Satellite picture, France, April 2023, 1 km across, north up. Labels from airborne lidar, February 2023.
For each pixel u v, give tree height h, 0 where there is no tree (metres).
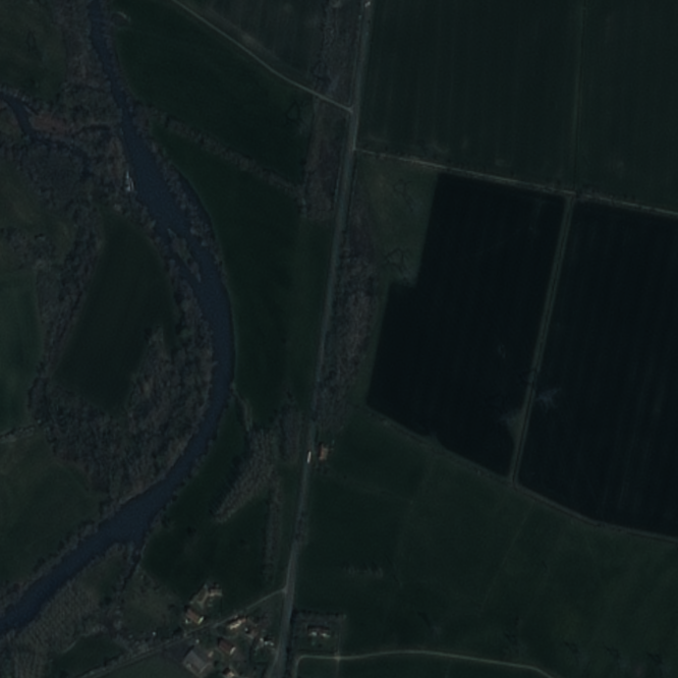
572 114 0
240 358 0
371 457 0
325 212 17
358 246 0
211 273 0
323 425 19
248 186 0
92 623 16
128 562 17
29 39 0
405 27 0
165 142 0
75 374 0
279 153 0
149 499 0
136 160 0
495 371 0
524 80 0
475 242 0
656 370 0
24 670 31
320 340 0
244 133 0
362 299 25
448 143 0
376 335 0
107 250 0
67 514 0
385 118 0
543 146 0
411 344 0
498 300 0
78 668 0
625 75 0
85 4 10
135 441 9
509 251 0
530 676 0
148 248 0
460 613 0
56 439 9
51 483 0
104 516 14
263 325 0
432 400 0
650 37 0
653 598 0
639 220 0
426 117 0
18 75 0
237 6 0
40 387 14
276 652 0
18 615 0
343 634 0
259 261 0
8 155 15
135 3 0
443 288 0
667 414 0
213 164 0
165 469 10
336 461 0
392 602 0
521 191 0
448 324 0
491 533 0
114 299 0
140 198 0
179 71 0
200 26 0
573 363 0
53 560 9
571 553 0
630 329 0
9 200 0
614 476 0
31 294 0
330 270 0
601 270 0
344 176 0
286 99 0
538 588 0
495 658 0
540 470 0
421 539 0
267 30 0
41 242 5
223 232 0
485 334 0
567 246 0
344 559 0
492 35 0
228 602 0
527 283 0
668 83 0
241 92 0
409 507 0
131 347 0
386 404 0
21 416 0
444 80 0
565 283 0
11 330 0
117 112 15
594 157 0
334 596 0
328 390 12
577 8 0
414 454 0
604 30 0
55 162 19
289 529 0
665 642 0
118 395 0
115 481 18
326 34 8
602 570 0
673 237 0
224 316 0
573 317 0
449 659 0
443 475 0
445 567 0
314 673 0
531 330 0
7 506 0
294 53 0
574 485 0
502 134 0
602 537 0
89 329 0
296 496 0
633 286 0
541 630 0
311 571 0
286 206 0
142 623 0
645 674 0
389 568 0
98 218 8
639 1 0
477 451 0
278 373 0
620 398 0
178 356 15
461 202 0
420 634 0
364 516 0
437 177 0
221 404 0
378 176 0
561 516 0
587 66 0
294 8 0
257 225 0
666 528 0
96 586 0
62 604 33
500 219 0
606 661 0
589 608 0
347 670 0
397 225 0
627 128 0
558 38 0
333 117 0
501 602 0
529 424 0
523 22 0
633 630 0
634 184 0
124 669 0
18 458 0
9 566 0
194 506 0
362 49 0
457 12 0
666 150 0
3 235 10
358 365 11
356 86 0
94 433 20
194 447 0
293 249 0
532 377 0
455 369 0
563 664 0
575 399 0
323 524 0
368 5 0
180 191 12
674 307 0
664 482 0
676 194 0
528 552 0
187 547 0
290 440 20
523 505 0
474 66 0
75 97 13
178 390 6
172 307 0
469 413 0
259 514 0
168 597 0
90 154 10
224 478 0
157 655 0
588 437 0
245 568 0
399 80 0
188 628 0
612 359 0
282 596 0
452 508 0
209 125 0
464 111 0
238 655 0
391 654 0
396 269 0
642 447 0
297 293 0
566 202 0
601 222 0
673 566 0
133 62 0
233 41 0
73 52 9
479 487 0
